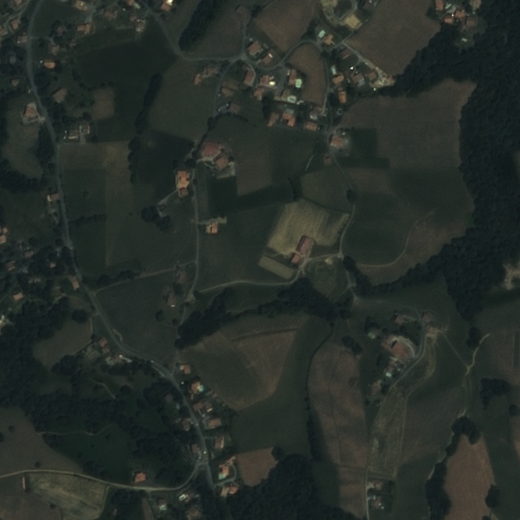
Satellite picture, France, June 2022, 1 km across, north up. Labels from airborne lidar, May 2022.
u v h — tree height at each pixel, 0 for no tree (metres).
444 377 0
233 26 0
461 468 0
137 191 0
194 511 0
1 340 11
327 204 0
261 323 0
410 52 0
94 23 0
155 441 20
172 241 0
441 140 0
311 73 0
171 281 0
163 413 16
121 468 0
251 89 7
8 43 12
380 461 0
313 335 0
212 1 20
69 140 0
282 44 0
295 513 18
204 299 0
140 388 0
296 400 0
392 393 0
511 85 20
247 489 17
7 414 0
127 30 0
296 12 0
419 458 0
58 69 17
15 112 0
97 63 0
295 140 0
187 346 10
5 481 0
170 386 20
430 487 22
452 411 0
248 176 0
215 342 0
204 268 0
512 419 0
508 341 0
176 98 0
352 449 0
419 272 26
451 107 0
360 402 0
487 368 0
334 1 0
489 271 23
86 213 0
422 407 0
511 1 29
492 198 21
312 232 0
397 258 0
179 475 9
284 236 0
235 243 0
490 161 23
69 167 0
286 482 31
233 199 0
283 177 0
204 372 0
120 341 0
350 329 0
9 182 15
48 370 0
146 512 0
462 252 18
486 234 27
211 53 0
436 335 0
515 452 0
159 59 0
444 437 0
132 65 0
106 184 0
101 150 0
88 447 0
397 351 0
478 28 0
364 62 0
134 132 0
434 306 0
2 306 10
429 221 0
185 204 0
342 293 0
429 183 0
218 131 0
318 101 0
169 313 0
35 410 12
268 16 0
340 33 0
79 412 18
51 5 0
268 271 0
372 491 6
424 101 0
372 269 0
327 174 0
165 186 0
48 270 17
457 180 0
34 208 0
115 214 0
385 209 0
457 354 0
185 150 0
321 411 0
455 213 0
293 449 0
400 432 0
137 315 0
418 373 0
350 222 0
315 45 0
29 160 0
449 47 23
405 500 0
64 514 0
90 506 0
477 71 11
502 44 18
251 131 0
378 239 0
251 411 0
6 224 6
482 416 0
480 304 17
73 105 0
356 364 0
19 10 0
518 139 18
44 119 0
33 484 0
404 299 0
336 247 0
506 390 18
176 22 0
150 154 0
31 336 22
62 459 0
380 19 0
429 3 0
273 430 0
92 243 0
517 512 0
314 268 0
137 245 0
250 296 0
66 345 0
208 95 0
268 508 32
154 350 0
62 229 11
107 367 7
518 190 20
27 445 0
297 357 0
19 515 0
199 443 9
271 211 0
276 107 0
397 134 0
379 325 10
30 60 0
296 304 20
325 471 0
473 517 0
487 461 0
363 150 0
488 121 23
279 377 0
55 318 24
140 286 0
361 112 0
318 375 0
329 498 0
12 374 17
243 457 0
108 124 0
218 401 0
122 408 18
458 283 29
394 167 0
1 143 9
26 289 15
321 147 0
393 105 0
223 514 20
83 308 0
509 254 18
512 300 0
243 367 0
